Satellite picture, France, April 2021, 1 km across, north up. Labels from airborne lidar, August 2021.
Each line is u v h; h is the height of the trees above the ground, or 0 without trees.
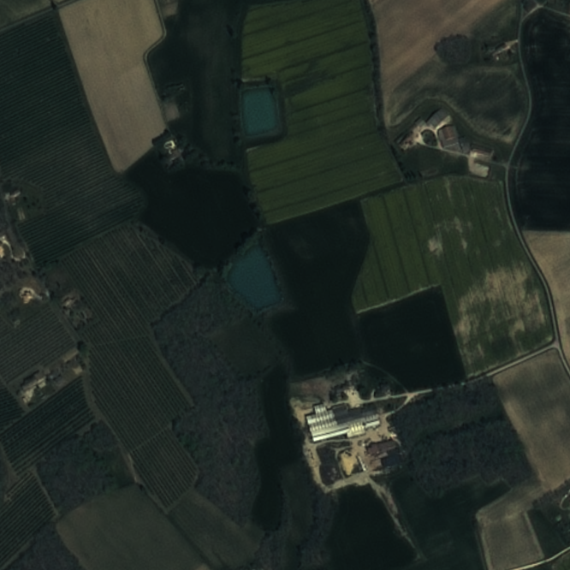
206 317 7
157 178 0
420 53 0
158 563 0
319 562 15
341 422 0
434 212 0
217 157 0
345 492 0
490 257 0
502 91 0
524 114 0
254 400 18
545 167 0
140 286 6
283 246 0
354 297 0
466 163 0
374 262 0
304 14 0
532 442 0
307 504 0
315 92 0
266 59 0
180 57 0
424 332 0
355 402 0
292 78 0
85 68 0
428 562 0
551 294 0
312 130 0
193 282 6
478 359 0
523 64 0
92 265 7
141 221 0
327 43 0
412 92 0
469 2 0
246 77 0
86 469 23
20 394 7
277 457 0
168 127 0
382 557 0
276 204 0
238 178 0
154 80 0
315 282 0
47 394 0
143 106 0
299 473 0
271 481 0
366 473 0
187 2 0
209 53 0
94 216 6
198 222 0
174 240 0
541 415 0
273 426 0
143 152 0
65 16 0
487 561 0
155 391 6
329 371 6
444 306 0
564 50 0
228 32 0
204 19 0
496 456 20
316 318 0
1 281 15
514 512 0
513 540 0
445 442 21
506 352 0
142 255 7
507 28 0
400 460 0
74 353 0
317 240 0
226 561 0
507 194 0
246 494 16
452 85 0
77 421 6
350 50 0
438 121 0
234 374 11
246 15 0
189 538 0
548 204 0
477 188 0
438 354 0
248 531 0
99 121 0
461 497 0
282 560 18
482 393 16
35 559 14
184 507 0
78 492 14
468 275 0
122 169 0
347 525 0
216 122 0
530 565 0
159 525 0
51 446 6
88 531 0
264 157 0
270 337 9
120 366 6
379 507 0
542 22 0
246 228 0
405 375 0
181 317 14
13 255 13
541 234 0
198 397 19
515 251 0
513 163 0
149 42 0
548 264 0
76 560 16
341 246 0
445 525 0
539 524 0
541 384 0
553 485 0
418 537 0
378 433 0
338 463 0
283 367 0
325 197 0
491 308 0
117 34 0
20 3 0
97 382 6
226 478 17
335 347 0
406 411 17
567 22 0
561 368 0
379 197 0
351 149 0
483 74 0
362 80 0
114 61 0
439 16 0
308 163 0
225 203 0
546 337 0
